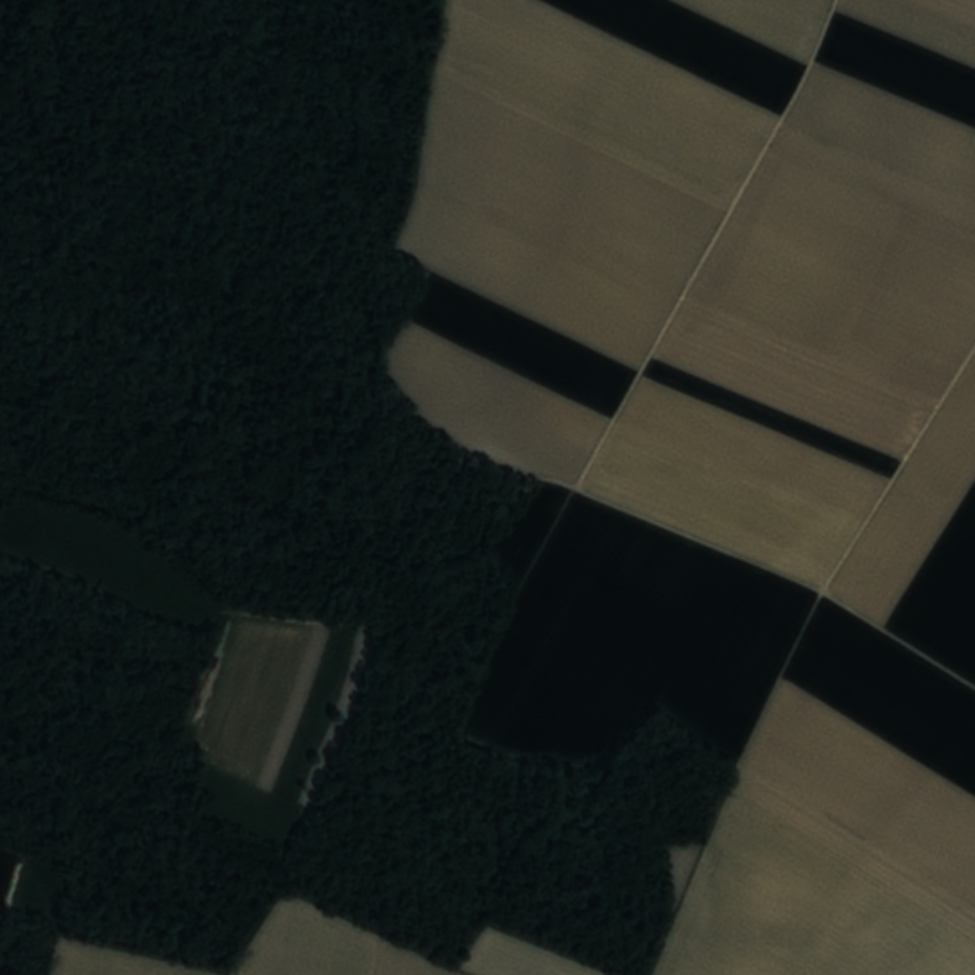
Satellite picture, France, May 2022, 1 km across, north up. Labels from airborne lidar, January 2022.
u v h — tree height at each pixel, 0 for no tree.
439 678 25
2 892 0
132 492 25
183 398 9
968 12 0
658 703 0
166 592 0
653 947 16
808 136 0
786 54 0
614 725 0
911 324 0
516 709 0
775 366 0
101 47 19
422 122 22
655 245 0
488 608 15
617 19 0
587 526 0
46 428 24
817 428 0
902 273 0
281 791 0
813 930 0
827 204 0
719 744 0
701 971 0
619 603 0
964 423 0
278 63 29
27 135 25
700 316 0
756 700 0
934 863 0
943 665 0
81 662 24
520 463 0
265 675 0
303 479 16
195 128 24
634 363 0
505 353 0
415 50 23
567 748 0
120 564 0
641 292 0
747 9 0
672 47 0
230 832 12
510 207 0
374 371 18
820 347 0
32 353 21
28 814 8
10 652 21
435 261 0
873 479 0
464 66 0
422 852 21
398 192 23
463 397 0
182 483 20
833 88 0
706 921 0
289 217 23
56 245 28
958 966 0
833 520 0
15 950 19
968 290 0
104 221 21
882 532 0
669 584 0
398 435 25
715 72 0
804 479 0
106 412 26
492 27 0
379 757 23
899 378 0
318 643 0
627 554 0
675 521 0
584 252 0
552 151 0
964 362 0
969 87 0
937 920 0
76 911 24
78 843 19
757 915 0
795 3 0
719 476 0
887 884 0
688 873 0
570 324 0
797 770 0
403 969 0
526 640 0
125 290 24
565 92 0
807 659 0
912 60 0
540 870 23
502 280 0
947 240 0
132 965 0
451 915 9
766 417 0
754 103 0
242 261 8
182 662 25
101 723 28
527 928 11
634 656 0
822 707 0
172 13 26
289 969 0
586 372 0
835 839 0
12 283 23
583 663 0
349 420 19
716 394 0
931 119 0
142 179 21
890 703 0
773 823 0
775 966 0
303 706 0
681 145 0
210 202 27
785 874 0
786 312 0
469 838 9
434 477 23
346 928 0
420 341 0
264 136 26
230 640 0
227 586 19
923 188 0
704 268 0
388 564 18
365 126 26
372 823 22
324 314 25
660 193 0
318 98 25
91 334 26
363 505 25
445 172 0
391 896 7
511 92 0
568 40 0
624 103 0
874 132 0
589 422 0
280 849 9
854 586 0
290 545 24
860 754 0
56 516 0
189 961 13
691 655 0
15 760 26
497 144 0
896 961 0
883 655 0
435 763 23
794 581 0
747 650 0
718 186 0
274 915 0
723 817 0
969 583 0
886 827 0
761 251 0
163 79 24
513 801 9
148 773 8
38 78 29
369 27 19
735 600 0
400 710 15
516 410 0
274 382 0
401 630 26
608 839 23
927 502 0
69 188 27
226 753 0
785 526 0
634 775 28
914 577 0
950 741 0
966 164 0
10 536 0
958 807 0
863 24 0
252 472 29
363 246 21
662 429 0
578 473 0
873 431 0
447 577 27
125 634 24
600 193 0
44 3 21
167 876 24
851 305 0
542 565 0
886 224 0
